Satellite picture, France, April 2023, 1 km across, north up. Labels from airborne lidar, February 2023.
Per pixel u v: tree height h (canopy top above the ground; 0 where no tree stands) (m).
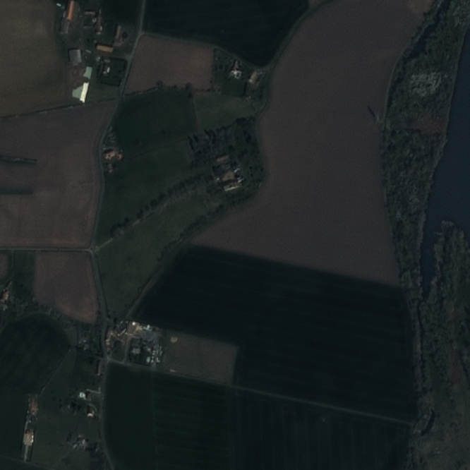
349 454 0
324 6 0
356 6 0
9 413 0
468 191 0
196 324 0
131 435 0
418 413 0
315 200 0
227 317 0
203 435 0
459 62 0
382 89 0
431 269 0
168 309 0
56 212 0
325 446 0
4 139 0
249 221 0
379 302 0
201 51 0
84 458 0
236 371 0
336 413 0
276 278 0
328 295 0
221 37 0
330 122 0
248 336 0
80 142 0
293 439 0
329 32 0
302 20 0
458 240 29
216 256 0
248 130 16
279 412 0
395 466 0
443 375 20
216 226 0
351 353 0
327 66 0
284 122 0
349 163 0
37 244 0
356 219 0
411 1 0
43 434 0
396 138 17
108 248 0
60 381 0
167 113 0
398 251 10
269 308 0
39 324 0
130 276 0
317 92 0
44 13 0
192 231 10
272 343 0
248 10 0
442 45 9
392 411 0
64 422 0
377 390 0
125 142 0
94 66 0
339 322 0
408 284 19
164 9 0
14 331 0
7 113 0
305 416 0
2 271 0
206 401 0
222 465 0
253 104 0
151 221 0
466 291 0
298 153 0
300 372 0
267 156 0
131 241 0
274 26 0
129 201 0
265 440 0
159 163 0
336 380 0
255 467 0
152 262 0
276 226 0
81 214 0
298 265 0
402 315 0
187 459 0
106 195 0
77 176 0
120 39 11
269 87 0
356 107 0
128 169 0
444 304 32
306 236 0
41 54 0
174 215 0
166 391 0
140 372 0
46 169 0
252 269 0
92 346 13
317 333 0
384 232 0
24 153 0
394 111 15
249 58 0
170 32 0
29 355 0
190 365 0
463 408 0
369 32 0
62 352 0
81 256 0
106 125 0
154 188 0
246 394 0
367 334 0
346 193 0
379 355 0
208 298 0
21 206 0
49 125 0
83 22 0
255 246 0
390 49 0
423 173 19
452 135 0
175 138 0
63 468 0
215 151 9
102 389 0
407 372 0
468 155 0
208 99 0
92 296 0
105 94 0
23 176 0
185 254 0
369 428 0
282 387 0
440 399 0
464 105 0
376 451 0
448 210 0
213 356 0
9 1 0
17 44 0
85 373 0
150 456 0
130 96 6
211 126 0
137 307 0
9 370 0
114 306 0
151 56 0
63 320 7
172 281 0
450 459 0
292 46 0
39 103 0
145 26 0
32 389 0
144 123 0
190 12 0
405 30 0
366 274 0
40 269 0
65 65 0
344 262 0
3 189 0
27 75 0
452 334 15
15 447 0
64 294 0
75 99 0
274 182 0
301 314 0
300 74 0
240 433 0
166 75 0
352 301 0
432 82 8
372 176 0
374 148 0
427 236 0
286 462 0
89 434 0
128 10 0
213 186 17
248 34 0
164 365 0
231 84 0
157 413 0
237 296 0
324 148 0
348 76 0
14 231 0
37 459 0
